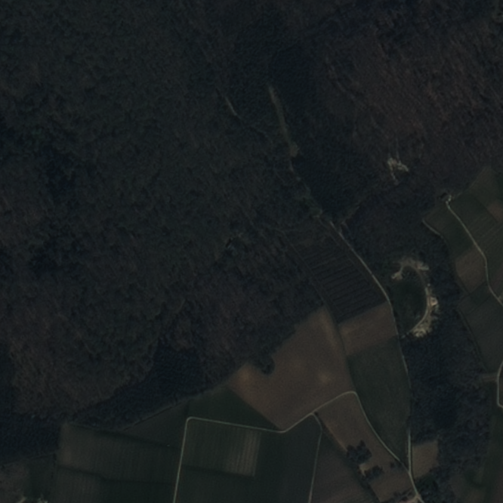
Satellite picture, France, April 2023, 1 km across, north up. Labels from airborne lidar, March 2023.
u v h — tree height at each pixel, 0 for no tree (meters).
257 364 15
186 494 0
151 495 0
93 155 27
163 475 0
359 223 21
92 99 27
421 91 25
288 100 15
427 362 22
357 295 6
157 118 14
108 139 26
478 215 0
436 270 17
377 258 21
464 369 16
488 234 0
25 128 28
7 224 29
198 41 23
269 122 13
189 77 24
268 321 29
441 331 16
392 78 26
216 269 23
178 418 0
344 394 0
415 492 0
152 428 0
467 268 0
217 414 0
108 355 26
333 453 0
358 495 0
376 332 0
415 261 0
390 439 0
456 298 20
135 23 22
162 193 25
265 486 0
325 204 26
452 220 0
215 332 22
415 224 18
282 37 21
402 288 0
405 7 25
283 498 0
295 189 22
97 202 26
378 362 0
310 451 0
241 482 0
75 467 0
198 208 26
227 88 21
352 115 17
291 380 0
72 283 28
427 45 22
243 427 0
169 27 30
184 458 0
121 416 18
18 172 29
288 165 16
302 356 0
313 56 12
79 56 28
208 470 0
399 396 0
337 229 15
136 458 0
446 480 28
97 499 0
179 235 24
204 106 24
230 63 14
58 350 25
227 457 0
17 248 29
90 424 10
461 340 22
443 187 17
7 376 17
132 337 23
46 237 33
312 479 0
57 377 19
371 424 0
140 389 18
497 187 0
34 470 0
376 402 0
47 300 30
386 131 27
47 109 29
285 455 0
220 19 18
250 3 15
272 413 0
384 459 0
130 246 28
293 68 17
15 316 24
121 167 30
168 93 21
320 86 20
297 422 0
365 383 0
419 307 0
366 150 20
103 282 28
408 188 24
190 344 20
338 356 0
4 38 29
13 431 18
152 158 26
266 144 25
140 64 24
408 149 16
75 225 27
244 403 0
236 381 0
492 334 0
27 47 31
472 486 0
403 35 31
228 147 24
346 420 0
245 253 24
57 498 0
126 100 28
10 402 23
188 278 24
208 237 27
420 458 0
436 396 23
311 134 10
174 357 19
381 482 0
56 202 28
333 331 0
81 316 28
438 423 22
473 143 20
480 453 9
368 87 24
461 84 24
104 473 0
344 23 24
